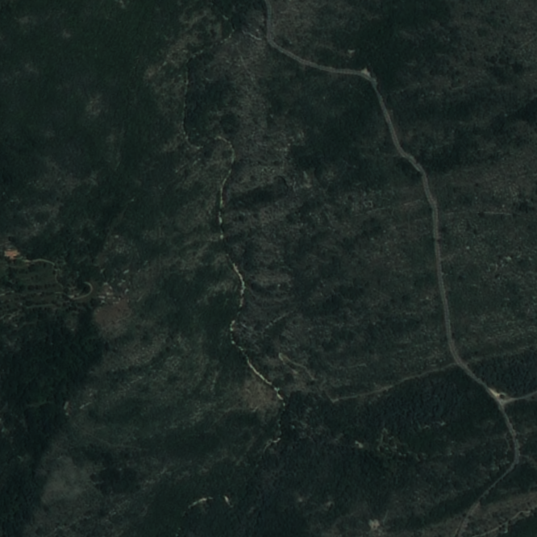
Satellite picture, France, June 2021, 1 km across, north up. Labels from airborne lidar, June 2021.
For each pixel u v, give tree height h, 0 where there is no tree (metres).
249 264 9
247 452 6
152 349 0
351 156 7
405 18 7
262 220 0
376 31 6
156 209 6
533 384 6
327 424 7
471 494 7
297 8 0
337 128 6
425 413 9
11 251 0
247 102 0
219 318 8
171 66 6
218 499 8
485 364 7
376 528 0
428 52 6
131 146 9
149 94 8
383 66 6
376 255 0
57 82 8
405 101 6
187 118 7
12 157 6
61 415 10
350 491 6
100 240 9
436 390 8
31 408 7
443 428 6
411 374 0
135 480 7
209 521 7
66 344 11
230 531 10
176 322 7
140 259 6
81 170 8
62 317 8
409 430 10
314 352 5
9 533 9
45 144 8
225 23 7
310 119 5
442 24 7
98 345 11
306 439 7
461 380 5
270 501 8
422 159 7
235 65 0
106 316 0
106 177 5
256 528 12
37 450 9
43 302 8
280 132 0
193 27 5
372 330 6
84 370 7
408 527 7
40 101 7
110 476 7
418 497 0
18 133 7
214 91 7
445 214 0
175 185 6
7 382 13
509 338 0
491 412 7
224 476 5
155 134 6
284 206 0
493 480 7
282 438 11
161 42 8
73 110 5
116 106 9
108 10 7
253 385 0
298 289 7
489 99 5
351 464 8
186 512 7
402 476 6
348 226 0
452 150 7
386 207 0
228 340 8
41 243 9
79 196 6
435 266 0
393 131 0
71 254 11
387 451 7
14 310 7
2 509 17
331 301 7
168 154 6
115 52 8
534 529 8
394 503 0
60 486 0
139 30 8
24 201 6
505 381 12
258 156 0
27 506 10
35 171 7
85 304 9
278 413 7
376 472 8
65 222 6
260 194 6
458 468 6
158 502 8
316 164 9
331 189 7
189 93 7
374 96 6
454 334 6
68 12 6
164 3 8
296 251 6
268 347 7
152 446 6
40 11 6
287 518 9
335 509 6
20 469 9
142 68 8
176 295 6
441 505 6
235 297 6
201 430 8
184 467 6
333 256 6
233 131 7
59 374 9
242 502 12
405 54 10
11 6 8
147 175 6
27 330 8
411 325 6
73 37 7
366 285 7
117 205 6
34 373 7
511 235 0
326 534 0
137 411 6
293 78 5
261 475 6
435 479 6
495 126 6
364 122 6
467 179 0
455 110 6
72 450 6
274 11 0
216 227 10
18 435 9
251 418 7
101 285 7
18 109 6
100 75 8
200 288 6
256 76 0
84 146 8
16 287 9
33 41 9
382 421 10
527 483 6
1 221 6
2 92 6
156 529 7
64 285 9
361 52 7
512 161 0
